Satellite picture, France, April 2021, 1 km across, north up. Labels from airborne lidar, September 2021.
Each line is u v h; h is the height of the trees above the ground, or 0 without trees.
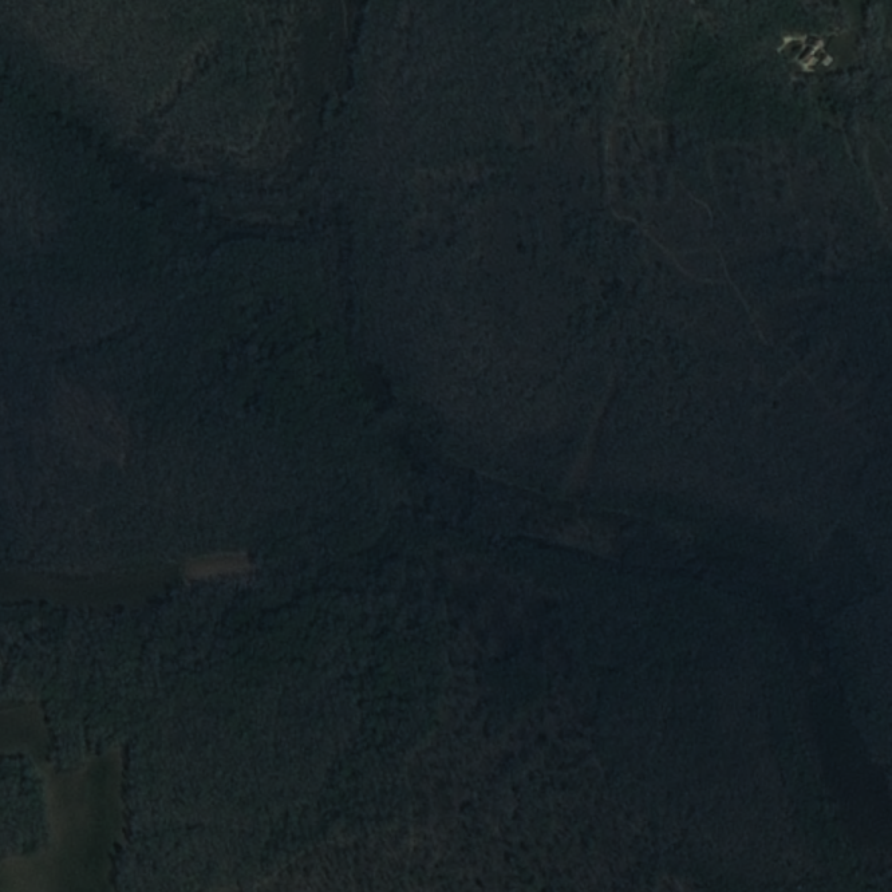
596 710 11
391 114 10
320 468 17
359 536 21
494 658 20
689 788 13
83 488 16
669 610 20
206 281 19
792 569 20
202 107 15
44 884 0
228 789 20
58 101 21
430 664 21
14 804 24
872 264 10
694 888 23
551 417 13
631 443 13
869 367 19
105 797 0
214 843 19
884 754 18
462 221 12
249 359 23
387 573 20
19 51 16
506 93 15
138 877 18
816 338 16
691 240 0
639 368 13
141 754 22
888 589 15
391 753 16
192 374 24
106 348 13
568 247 9
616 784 16
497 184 11
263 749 21
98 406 13
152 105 13
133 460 14
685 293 13
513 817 19
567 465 15
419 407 10
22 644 17
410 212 14
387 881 17
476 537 20
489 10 14
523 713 18
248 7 18
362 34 17
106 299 14
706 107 23
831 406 0
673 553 8
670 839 11
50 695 21
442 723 19
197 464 15
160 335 19
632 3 12
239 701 21
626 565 7
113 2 13
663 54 12
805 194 0
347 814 7
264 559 17
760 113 23
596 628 15
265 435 17
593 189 7
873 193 14
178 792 20
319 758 19
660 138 14
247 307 18
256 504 13
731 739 12
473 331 11
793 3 18
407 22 8
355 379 19
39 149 18
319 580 15
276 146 11
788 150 11
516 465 15
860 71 13
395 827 15
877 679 13
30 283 14
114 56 13
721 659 7
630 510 19
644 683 18
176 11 15
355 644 21
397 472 15
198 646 27
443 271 13
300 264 16
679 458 13
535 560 19
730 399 7
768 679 15
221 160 12
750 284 9
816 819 20
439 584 16
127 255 19
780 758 17
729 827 12
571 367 14
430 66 13
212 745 20
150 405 15
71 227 15
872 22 19
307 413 17
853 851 19
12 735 0
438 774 18
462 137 18
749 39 15
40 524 15
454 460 19
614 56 12
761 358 8
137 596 0
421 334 12
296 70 14
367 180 11
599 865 20
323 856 19
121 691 21
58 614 10
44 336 13
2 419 8
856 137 18
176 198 8
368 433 18
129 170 8
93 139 13
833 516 15
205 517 15
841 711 7
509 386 8
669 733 11
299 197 17
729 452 12
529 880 21
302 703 19
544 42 9
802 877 7
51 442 12
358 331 21
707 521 14
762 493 10
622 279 15
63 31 13
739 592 11
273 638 25
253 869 17
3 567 17
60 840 0
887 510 16
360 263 19
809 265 18
